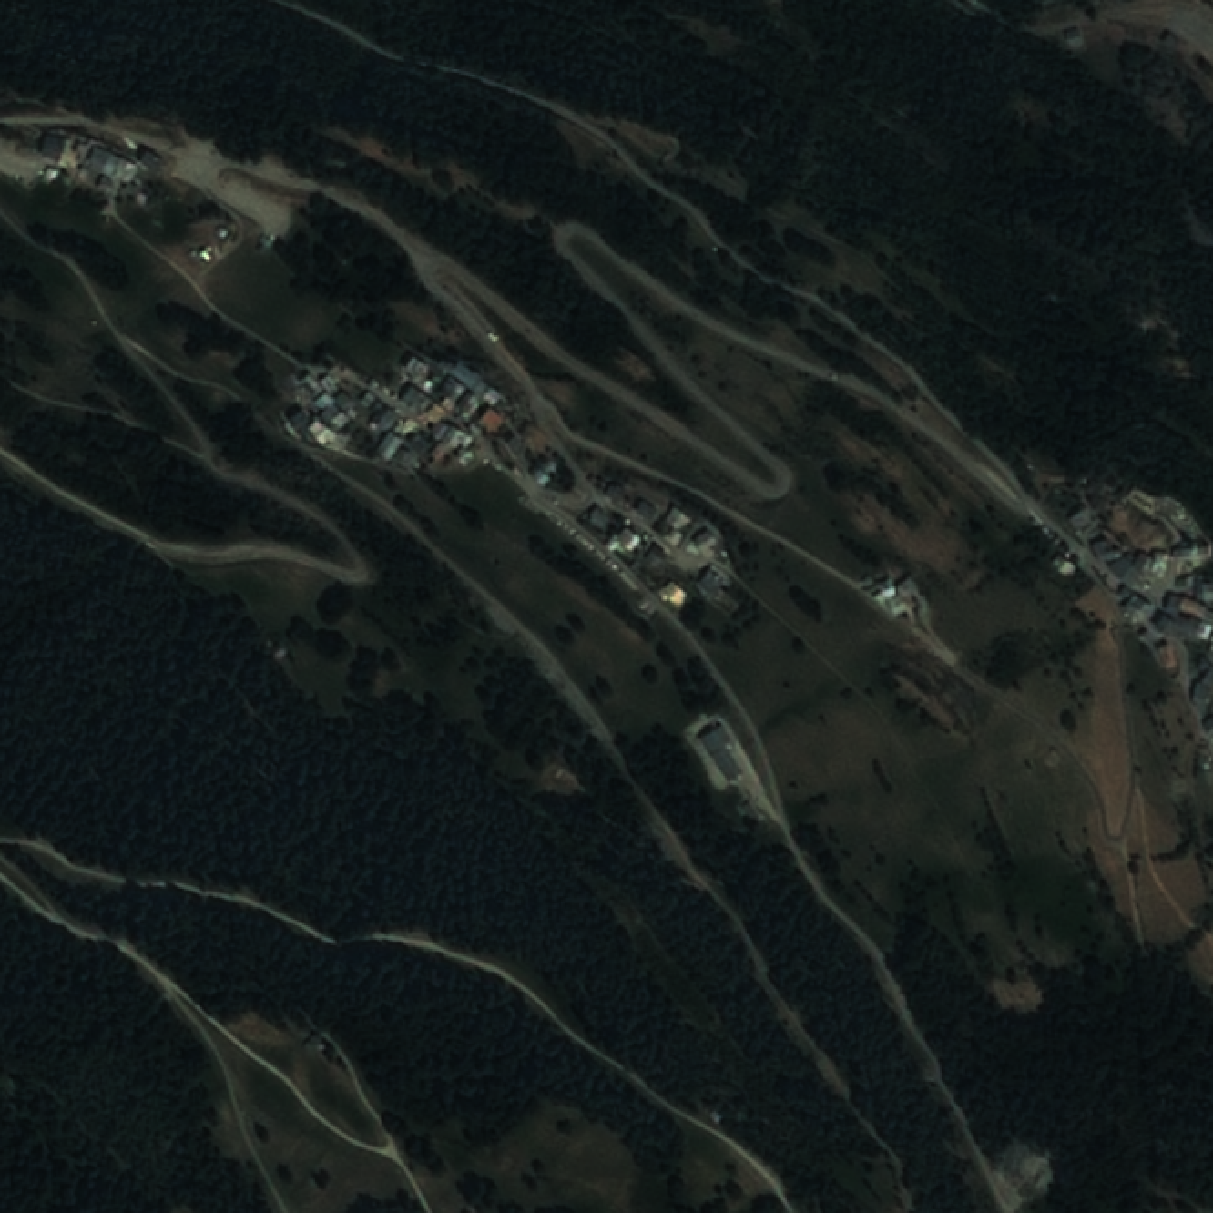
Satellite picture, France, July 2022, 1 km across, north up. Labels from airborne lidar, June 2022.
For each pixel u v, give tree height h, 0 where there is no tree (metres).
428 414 0
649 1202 0
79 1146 20
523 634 0
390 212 9
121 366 12
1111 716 0
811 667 0
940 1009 21
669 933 16
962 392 18
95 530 16
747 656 0
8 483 10
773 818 0
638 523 0
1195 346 26
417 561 22
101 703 19
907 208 18
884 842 0
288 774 10
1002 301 22
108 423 14
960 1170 14
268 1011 19
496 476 0
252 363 12
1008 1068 28
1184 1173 16
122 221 0
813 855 8
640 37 14
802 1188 28
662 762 20
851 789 0
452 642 20
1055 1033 23
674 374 0
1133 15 0
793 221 0
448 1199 0
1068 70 12
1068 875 0
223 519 16
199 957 25
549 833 14
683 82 17
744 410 0
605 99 31
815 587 0
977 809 0
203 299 0
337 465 0
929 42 25
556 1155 0
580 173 17
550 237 12
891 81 15
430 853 36
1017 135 20
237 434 26
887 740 0
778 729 0
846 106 11
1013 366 18
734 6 16
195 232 0
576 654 0
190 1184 19
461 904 27
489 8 19
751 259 7
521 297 19
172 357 0
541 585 0
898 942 8
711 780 0
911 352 20
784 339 0
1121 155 31
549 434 0
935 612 0
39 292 17
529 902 16
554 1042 35
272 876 28
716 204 14
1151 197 26
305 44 22
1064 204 26
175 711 32
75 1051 14
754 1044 24
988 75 18
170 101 21
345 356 0
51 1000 30
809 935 27
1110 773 0
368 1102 0
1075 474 17
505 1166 0
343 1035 8
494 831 20
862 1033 26
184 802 20
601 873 18
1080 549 0
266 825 28
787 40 9
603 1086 32
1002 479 0
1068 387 25
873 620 0
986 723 0
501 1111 19
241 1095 0
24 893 0
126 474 7
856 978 21
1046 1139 25
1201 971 0
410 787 30
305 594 0
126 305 0
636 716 0
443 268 0
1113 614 0
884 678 5
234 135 18
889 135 9
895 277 12
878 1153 16
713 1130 0
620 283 0
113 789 26
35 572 25
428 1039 24
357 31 7
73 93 18
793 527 0
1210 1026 12
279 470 13
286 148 18
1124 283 15
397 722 20
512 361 0
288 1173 18
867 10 21
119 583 30
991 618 0
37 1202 28
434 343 7
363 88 13
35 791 22
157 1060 10
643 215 24
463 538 0
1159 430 19
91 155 0
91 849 29
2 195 0
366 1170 0
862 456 0
